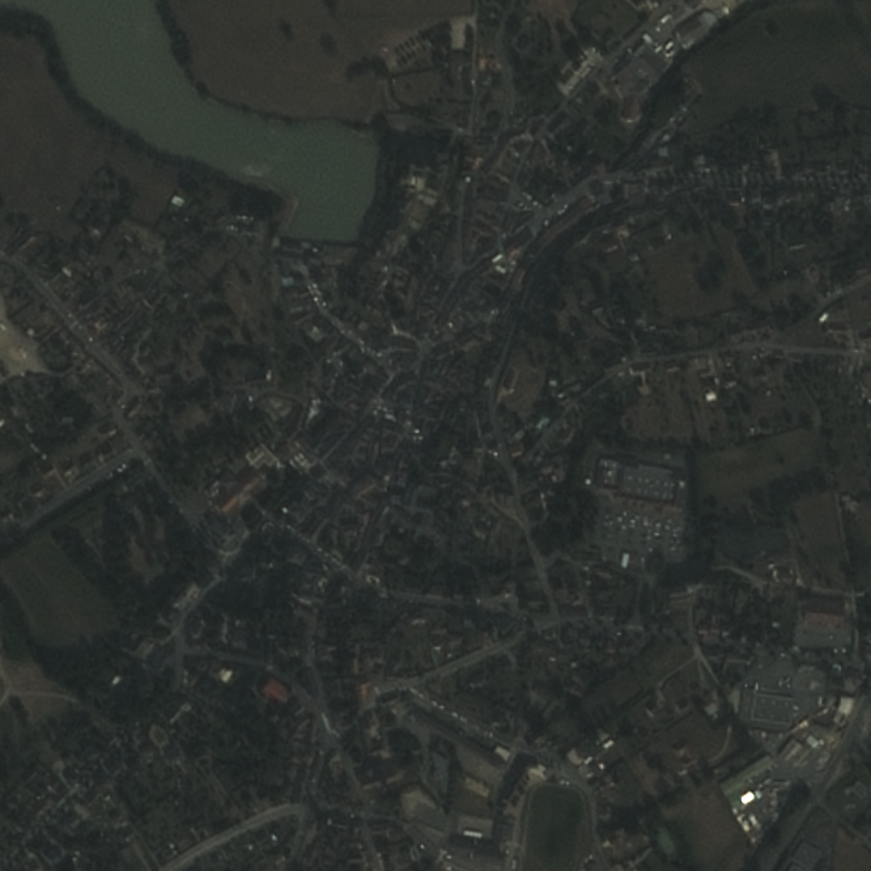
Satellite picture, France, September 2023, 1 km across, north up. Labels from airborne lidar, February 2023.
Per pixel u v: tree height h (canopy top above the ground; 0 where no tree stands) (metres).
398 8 0
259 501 10
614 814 6
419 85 0
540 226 0
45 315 0
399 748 18
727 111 0
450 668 0
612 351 10
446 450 0
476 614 15
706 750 0
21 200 0
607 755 0
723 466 0
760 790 0
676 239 0
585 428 9
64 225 0
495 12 8
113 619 0
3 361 0
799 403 0
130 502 0
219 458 0
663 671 0
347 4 0
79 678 17
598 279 10
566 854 0
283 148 0
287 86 0
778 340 0
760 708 0
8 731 0
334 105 0
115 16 0
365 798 0
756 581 0
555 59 0
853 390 0
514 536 0
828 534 0
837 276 8
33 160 0
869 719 0
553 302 12
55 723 15
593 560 0
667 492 0
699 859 0
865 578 0
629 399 0
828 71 0
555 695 14
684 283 0
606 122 10
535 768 0
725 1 0
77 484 0
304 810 0
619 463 0
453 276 0
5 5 0
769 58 0
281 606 16
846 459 0
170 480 11
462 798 0
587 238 0
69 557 10
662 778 0
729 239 0
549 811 0
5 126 0
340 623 8
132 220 0
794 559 0
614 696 0
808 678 0
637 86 0
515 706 6
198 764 8
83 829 7
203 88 10
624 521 0
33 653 7
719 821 0
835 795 0
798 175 0
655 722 0
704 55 0
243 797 7
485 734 0
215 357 18
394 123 0
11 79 0
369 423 0
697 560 8
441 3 0
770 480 0
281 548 7
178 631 0
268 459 0
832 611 0
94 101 0
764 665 0
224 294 10
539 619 0
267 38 0
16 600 18
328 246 0
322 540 12
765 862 0
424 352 0
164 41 0
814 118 7
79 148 0
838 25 0
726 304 0
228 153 0
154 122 0
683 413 0
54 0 0
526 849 0
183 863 0
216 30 0
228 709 25
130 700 24
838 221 0
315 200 0
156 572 0
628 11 0
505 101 0
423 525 0
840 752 0
